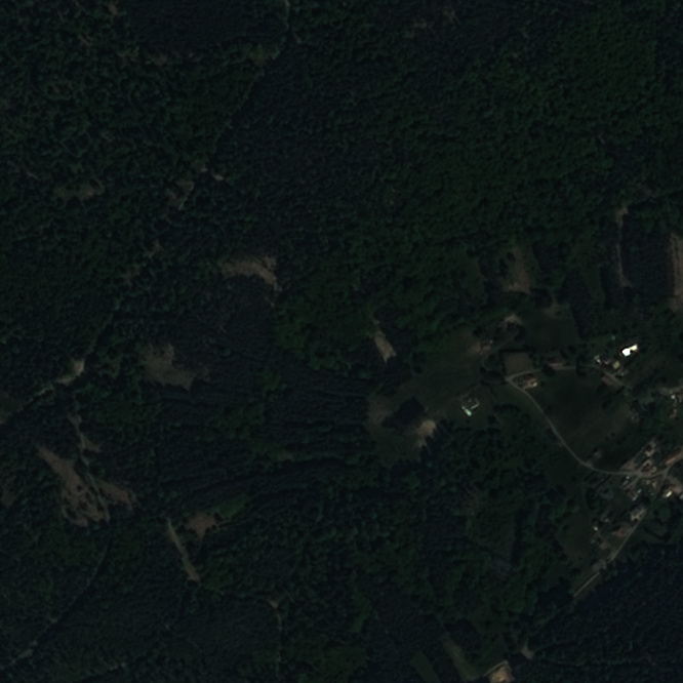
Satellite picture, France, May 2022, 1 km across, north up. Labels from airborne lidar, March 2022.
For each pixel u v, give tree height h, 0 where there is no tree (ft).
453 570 93
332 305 76
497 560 80
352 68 82
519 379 0
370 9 73
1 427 0
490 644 22
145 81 23
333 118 68
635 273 91
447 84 75
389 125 55
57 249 61
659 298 82
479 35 73
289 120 42
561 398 0
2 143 91
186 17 74
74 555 52
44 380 53
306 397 103
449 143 77
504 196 79
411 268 75
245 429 73
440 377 0
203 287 82
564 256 95
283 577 56
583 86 69
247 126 53
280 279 74
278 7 29
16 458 73
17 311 61
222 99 78
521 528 76
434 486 108
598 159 92
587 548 0
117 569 65
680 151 65
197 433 77
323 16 76
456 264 40
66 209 60
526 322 0
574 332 0
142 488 84
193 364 83
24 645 47
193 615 66
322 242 76
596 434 0
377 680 102
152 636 75
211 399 66
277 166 70
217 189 94
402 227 80
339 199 66
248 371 81
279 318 71
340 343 109
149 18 45
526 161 69
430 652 92
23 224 74
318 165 85
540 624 31
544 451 18
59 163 47
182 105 90
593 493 45
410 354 28
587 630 80
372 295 93
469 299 82
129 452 90
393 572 107
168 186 111
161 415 79
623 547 0
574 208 80
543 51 79
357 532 81
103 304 70
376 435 0
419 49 72
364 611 119
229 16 85
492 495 67
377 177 56
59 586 47
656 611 96
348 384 96
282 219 81
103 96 95
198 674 80
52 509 65
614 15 72
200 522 0
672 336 34
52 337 71
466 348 0
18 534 48
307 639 44
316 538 80
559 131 72
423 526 98
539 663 41
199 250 105
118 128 41
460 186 70
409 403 0
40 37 92
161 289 88
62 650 20
